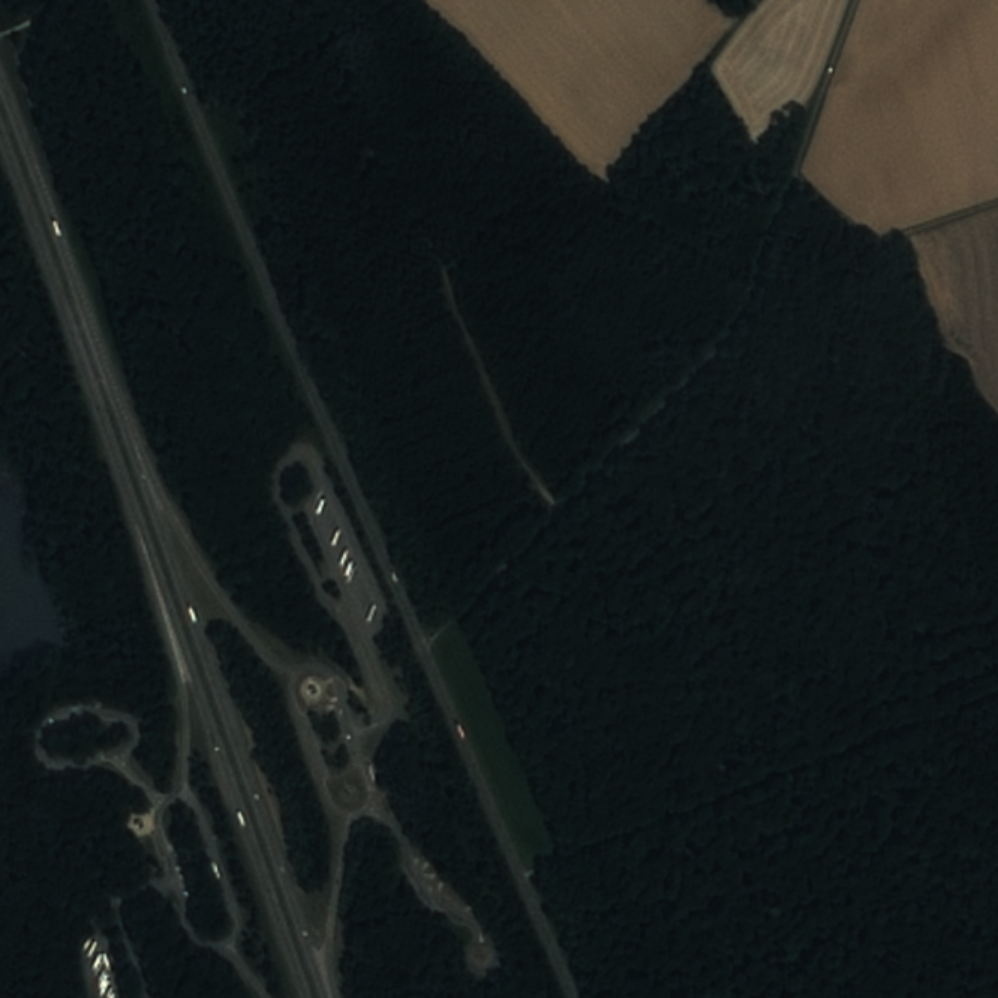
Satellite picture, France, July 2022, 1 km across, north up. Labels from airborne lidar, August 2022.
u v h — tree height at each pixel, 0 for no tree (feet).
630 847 80
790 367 82
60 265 0
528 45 0
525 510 76
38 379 72
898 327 95
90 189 97
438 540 50
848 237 77
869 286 96
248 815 0
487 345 39
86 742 63
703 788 91
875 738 77
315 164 53
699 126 80
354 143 57
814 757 47
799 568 76
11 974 75
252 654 23
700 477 82
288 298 48
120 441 0
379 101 57
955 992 64
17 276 76
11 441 42
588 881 82
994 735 81
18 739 67
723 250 30
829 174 0
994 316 0
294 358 0
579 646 97
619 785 57
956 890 62
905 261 81
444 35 60
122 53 91
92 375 0
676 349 67
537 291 30
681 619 47
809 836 81
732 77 0
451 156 55
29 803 72
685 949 90
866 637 67
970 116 0
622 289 43
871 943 79
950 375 43
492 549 58
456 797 54
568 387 66
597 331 42
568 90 0
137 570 49
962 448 27
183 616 0
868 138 0
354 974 46
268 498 78
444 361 39
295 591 78
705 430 51
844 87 0
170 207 84
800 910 66
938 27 0
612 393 30
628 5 0
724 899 83
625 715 84
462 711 0
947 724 76
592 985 74
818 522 75
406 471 45
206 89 66
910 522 81
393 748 77
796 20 0
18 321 85
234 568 84
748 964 87
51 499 80
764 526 62
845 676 72
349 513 38
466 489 52
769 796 62
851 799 64
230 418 96
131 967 67
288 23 66
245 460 102
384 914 55
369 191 60
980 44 0
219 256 82
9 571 0
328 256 36
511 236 29
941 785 69
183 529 0
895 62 0
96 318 0
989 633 63
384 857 74
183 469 82
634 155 26
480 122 51
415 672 32
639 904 84
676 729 85
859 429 79
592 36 0
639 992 96
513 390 32
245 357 79
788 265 72
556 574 95
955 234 0
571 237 22
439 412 47
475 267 31
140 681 67
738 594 73
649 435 71
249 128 70
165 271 97
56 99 90
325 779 0
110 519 53
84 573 86
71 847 81
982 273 0
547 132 56
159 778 41
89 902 81
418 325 53
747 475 71
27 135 0
